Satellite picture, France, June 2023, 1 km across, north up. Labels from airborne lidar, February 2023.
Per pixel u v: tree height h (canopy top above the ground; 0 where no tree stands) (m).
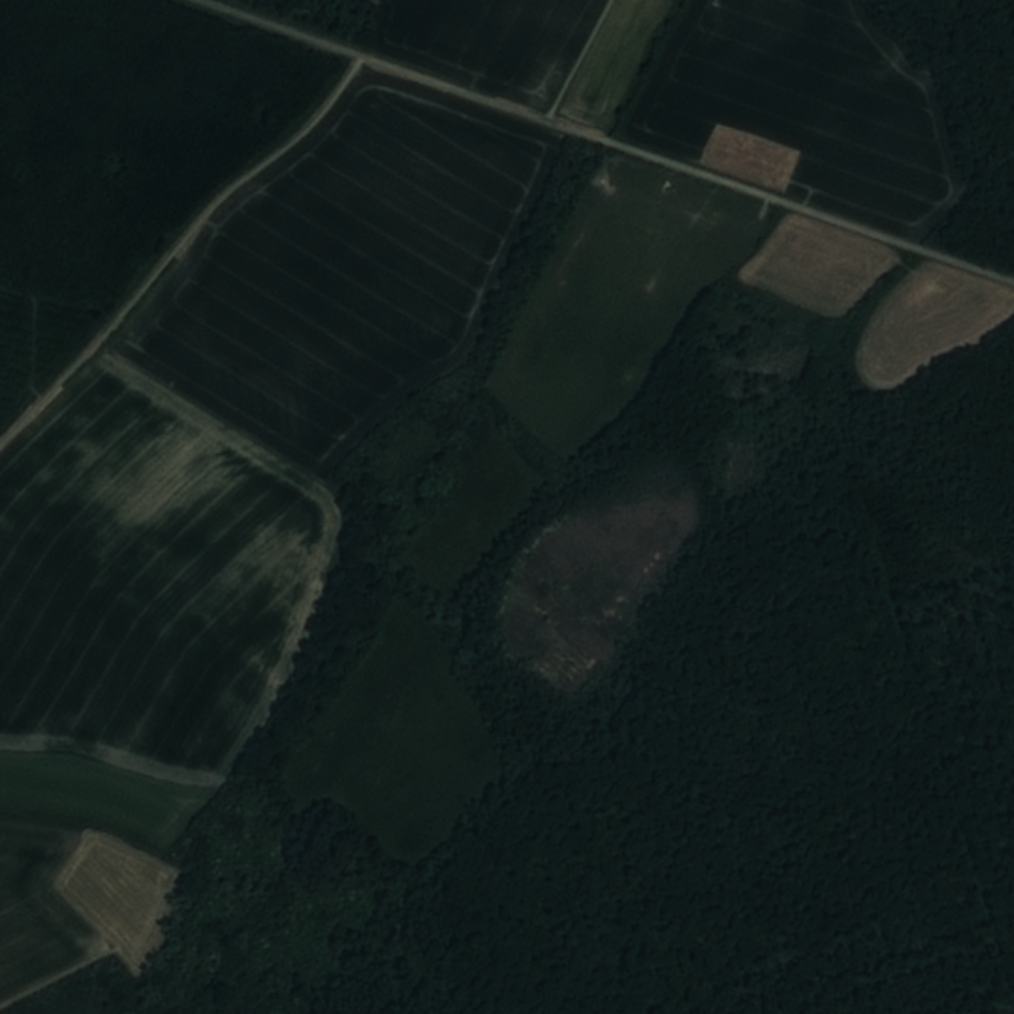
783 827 19
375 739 0
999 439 6
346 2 20
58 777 0
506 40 0
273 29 0
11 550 0
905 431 18
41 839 0
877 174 0
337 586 18
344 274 0
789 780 20
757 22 0
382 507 15
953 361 15
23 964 0
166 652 0
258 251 0
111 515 0
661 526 0
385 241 0
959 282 0
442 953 19
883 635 21
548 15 0
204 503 0
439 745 0
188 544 0
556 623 0
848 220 0
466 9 0
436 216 0
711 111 0
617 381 0
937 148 0
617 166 0
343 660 18
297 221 0
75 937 0
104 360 0
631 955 22
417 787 0
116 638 0
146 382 0
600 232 0
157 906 0
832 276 0
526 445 8
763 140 0
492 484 0
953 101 17
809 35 0
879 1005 20
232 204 0
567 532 0
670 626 18
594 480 14
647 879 22
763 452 7
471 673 14
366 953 20
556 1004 20
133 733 0
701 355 18
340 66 12
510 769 14
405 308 0
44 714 0
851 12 0
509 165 0
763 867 19
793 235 0
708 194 0
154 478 0
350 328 0
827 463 17
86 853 0
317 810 12
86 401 0
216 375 0
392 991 17
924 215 0
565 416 0
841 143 0
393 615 0
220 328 0
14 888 0
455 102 0
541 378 0
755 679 20
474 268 0
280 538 0
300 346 0
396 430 6
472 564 0
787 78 0
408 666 0
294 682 6
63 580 0
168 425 0
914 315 0
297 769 0
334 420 0
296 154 0
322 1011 20
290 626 0
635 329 0
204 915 6
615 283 0
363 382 0
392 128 0
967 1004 18
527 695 16
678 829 21
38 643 0
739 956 20
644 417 16
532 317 0
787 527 21
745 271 0
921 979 19
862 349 0
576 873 22
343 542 16
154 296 0
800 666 19
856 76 0
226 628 0
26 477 0
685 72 0
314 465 0
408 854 0
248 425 0
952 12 22
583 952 20
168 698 0
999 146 22
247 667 0
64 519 0
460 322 0
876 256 0
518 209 0
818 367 12
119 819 0
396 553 7
